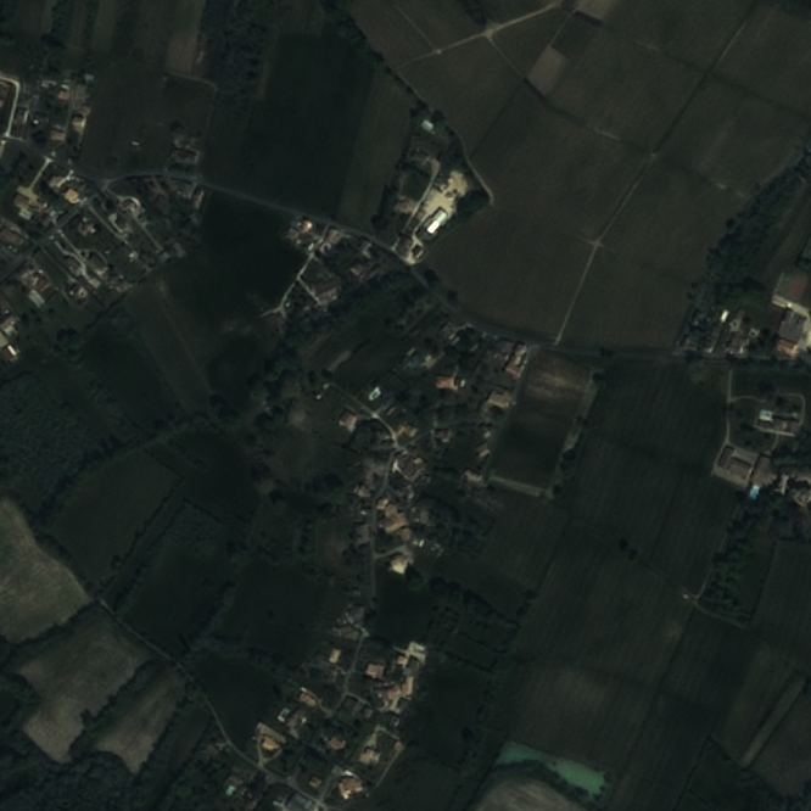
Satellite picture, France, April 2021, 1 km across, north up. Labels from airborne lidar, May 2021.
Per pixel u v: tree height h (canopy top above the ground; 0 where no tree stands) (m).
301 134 0
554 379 0
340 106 0
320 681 14
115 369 0
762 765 0
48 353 0
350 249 17
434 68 0
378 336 0
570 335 0
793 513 16
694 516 0
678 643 0
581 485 0
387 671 7
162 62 0
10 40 13
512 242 0
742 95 0
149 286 0
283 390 16
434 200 0
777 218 9
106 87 0
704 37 0
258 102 0
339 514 7
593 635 0
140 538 11
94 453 6
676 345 0
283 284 0
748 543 22
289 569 0
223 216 0
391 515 0
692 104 0
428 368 0
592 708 0
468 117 0
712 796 0
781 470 11
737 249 19
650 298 0
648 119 0
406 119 0
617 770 0
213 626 14
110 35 0
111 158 0
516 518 0
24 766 22
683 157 0
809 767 0
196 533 7
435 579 0
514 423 0
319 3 0
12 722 9
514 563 0
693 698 0
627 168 0
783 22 0
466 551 11
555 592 0
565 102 0
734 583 13
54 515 23
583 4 0
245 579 0
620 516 0
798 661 0
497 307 0
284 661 12
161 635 0
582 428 14
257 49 9
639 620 0
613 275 0
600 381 13
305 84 0
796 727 0
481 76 0
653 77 0
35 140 10
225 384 0
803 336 0
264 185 0
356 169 0
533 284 0
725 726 0
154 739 0
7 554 0
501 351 0
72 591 0
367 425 9
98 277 0
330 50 0
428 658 0
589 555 0
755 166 0
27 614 0
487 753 0
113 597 0
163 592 0
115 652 0
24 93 0
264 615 0
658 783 0
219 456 0
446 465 6
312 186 0
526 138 0
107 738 0
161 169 0
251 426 0
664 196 0
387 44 0
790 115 0
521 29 0
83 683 0
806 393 0
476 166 0
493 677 9
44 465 9
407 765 0
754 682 0
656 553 0
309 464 0
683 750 0
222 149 0
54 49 21
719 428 0
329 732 15
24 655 12
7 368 12
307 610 0
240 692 0
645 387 0
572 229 0
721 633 0
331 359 0
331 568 0
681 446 0
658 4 0
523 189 0
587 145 0
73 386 0
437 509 9
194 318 0
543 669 0
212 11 12
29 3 0
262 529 0
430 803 0
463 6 0
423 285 0
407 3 0
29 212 0
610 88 0
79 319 0
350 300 7
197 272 0
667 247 0
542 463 0
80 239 8
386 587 0
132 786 15
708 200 0
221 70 13
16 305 0
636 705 0
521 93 0
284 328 11
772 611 0
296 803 0
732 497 0
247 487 0
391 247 0
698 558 0
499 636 0
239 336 0
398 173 8
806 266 7
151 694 0
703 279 0
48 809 15
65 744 0
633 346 0
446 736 0
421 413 9
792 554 0
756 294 22
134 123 0
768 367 10
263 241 0
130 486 0
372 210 0
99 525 0
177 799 9
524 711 0
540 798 0
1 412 9
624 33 0
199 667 0
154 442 11
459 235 0
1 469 13
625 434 0
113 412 11
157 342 0
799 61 0
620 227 0
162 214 6
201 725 0
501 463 0
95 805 17
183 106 0
